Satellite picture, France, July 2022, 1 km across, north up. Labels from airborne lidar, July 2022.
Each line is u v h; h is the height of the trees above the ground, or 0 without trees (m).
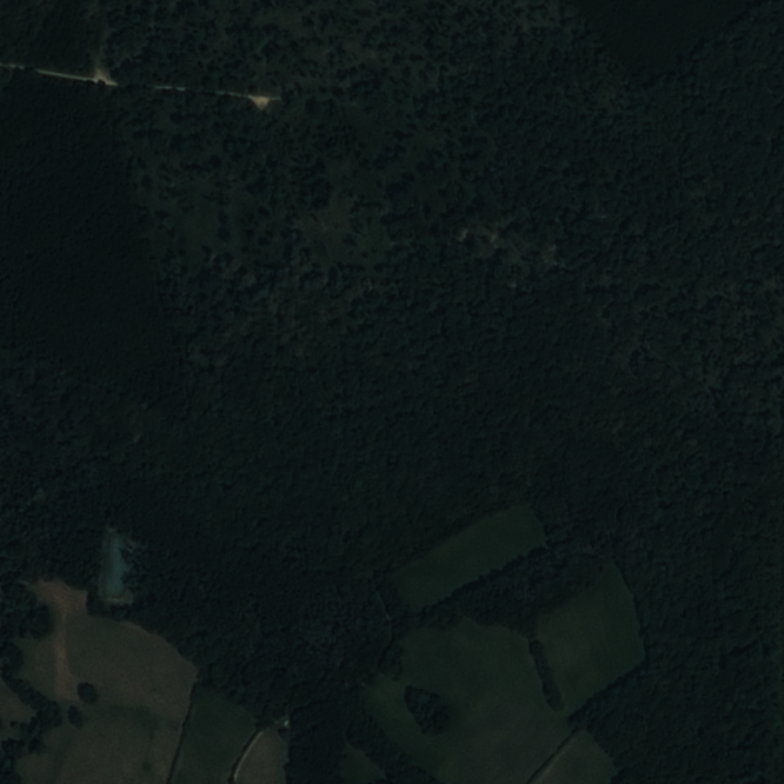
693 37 9
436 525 20
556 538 19
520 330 25
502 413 23
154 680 0
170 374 22
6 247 14
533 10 19
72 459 27
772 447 26
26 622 22
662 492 24
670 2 11
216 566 24
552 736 0
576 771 0
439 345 28
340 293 22
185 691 0
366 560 24
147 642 0
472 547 0
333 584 26
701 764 26
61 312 17
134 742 0
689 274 28
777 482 26
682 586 27
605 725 24
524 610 25
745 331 24
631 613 0
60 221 17
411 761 17
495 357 26
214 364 26
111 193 16
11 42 15
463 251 19
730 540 28
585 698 0
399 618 12
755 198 25
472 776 0
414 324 26
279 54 30
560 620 0
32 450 28
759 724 27
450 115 22
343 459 28
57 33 19
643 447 27
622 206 27
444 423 25
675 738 25
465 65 24
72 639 0
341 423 25
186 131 29
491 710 0
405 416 18
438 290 28
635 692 24
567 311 23
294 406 26
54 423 17
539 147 28
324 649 13
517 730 0
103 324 20
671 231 25
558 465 27
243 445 28
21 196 22
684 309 28
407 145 30
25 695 22
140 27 15
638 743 25
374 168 17
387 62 16
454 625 9
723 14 10
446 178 29
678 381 27
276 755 0
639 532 12
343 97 27
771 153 11
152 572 26
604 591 0
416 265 27
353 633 10
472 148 27
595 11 9
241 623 26
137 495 26
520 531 0
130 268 17
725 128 25
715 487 21
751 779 30
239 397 23
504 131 26
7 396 29
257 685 27
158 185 26
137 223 16
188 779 0
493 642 0
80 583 19
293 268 22
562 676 0
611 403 26
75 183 17
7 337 16
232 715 0
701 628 23
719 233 23
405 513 18
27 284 17
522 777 0
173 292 21
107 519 22
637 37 9
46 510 10
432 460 24
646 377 23
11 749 22
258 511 24
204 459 22
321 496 26
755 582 23
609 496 25
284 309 24
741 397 23
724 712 28
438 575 0
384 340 26
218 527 27
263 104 0
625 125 27
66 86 14
